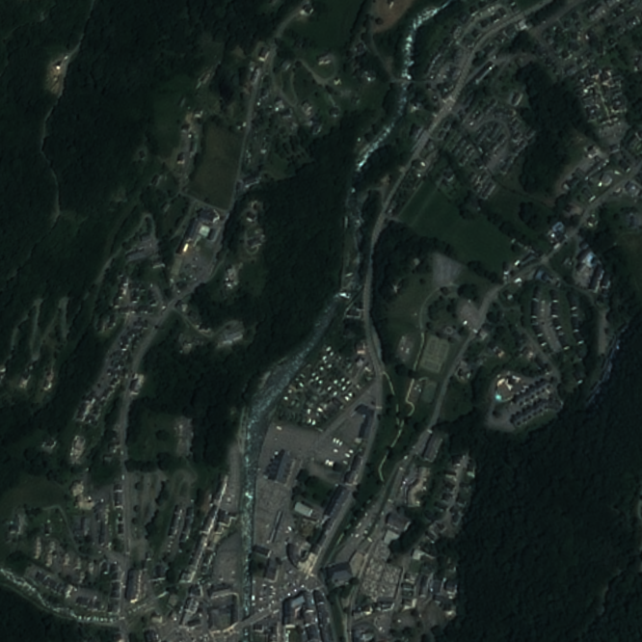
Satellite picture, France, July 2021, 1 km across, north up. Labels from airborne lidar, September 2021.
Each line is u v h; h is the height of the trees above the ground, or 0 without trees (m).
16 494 0
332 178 11
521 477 25
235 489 0
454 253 17
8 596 26
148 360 15
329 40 0
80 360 24
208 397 23
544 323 0
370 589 0
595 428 29
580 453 28
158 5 20
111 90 27
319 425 9
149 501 0
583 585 19
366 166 14
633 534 13
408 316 0
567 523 26
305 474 18
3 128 32
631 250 0
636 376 29
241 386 22
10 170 25
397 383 0
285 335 25
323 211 22
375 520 0
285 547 0
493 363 0
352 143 17
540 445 22
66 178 18
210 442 17
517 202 0
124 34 12
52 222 8
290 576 0
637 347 24
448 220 0
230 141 0
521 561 17
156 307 0
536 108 12
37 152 26
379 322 11
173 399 8
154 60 24
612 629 14
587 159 0
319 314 13
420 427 18
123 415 0
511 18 0
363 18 15
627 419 27
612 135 0
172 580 19
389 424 0
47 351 11
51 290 16
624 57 10
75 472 21
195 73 9
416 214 0
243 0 27
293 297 11
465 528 6
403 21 6
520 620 19
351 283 0
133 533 0
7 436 12
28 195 11
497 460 15
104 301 16
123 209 17
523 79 15
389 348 21
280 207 20
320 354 8
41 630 23
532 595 20
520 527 26
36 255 26
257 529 0
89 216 15
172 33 21
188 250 0
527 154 10
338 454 0
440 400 0
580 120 15
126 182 11
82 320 14
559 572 23
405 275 7
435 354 0
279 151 10
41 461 9
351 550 0
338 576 0
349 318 12
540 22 13
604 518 23
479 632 21
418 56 18
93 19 13
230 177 0
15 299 19
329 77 0
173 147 0
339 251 23
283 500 0
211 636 0
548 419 0
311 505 10
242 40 25
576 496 16
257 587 0
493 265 0
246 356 14
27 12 15
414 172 6
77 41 20
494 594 17
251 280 0
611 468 24
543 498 29
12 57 14
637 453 22
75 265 22
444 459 7
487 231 0
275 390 0
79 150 18
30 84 22
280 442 0
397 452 25
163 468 20
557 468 24
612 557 21
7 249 17
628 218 0
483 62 12
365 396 0
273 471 0
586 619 18
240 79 13
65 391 20
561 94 25
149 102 11
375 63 11
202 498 16
